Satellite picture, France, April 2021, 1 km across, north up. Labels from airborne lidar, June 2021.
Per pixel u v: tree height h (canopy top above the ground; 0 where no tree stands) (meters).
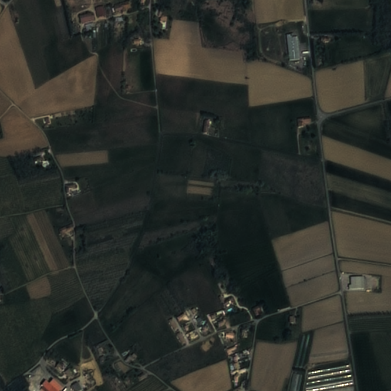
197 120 0
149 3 7
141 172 0
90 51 0
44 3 0
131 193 0
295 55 0
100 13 0
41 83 0
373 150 0
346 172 0
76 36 8
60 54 0
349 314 0
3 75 0
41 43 0
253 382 0
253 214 0
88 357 0
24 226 0
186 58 0
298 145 0
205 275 0
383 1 15
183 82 0
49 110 0
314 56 17
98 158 0
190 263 0
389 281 0
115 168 0
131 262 0
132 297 0
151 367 0
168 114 0
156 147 0
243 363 7
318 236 0
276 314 0
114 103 0
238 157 0
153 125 0
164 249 0
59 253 0
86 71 0
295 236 0
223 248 0
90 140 0
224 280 12
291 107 0
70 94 0
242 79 0
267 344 0
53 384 0
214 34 0
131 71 0
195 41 0
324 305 0
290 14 0
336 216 0
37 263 0
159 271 0
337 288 0
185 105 0
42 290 0
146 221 0
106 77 0
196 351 0
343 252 0
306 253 0
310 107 0
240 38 0
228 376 0
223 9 0
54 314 0
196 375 0
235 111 0
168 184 0
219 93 0
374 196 0
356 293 0
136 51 0
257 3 0
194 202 0
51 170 10
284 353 0
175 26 0
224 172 11
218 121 9
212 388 0
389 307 0
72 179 0
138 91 0
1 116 0
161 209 0
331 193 0
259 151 0
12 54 0
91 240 0
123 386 6
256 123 0
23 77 0
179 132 0
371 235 0
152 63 0
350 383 0
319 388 0
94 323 0
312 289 0
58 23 0
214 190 0
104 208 0
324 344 0
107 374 10
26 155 17
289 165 0
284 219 0
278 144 0
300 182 0
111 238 0
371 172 0
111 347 14
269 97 0
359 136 0
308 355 0
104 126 0
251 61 7
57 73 0
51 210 0
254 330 7
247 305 9
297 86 0
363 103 0
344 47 0
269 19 0
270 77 0
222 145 0
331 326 0
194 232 0
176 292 5
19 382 11
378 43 11
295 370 10
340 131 0
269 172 0
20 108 0
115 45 0
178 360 0
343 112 0
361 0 0
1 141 0
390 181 0
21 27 0
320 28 0
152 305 0
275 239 0
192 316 0
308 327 0
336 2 0
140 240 0
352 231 0
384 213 0
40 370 0
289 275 0
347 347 0
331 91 0
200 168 0
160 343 0
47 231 0
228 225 0
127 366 0
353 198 0
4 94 0
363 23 0
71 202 0
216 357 0
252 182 0
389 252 0
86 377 0
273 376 0
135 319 0
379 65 0
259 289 0
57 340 0
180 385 0
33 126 0
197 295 0
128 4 0
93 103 0
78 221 0
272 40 0
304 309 0
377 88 0
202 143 0
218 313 0
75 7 0
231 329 0
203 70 0
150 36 16
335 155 0
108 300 0
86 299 0
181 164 0
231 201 0
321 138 0
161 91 0
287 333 14
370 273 0
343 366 0
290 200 0
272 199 0
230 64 0
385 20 20
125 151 0
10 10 0
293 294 0
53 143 0
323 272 0
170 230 0
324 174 0
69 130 0
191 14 0
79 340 0
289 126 0
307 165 0
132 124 0
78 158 0
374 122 0
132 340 0
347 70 0
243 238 0
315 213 0
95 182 0
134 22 0
